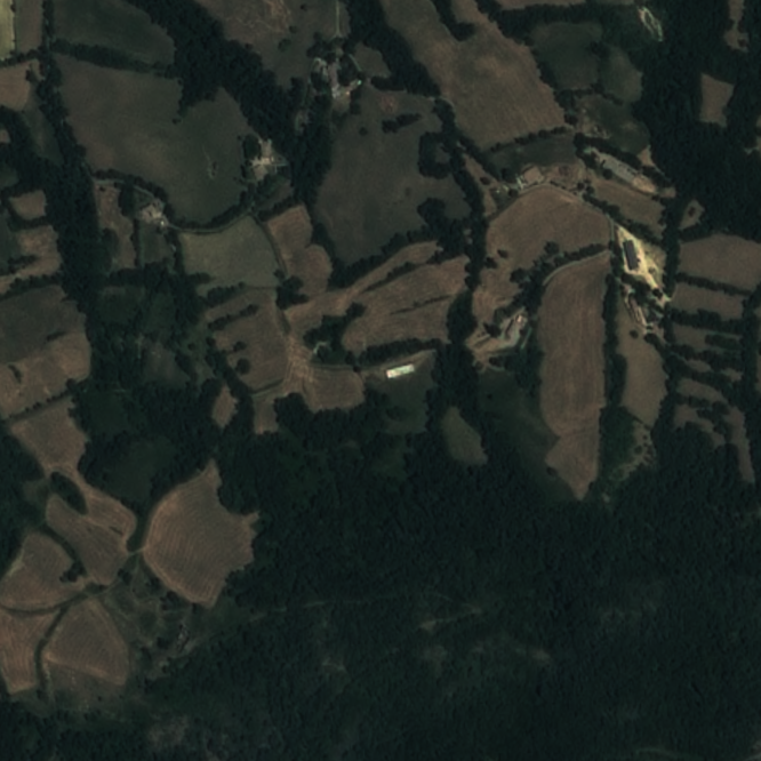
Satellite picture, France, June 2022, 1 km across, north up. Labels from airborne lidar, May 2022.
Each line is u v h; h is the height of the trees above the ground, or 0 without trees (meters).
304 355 0
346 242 0
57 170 13
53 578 0
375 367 0
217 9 0
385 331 0
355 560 10
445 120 15
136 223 8
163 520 0
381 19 14
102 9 0
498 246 0
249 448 8
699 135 15
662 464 10
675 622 13
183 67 13
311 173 16
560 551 15
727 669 6
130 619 0
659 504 11
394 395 0
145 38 0
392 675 12
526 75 0
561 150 0
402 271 9
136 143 0
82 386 10
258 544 13
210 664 6
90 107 0
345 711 13
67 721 8
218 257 0
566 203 0
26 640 0
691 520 12
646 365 0
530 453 0
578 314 0
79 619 0
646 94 10
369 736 11
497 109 0
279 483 13
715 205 20
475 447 0
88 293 14
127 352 12
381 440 14
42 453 0
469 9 0
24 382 0
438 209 19
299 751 10
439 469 19
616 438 6
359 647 13
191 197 0
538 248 0
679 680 19
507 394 0
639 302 13
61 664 0
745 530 17
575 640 12
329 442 16
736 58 11
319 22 0
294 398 14
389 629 14
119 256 0
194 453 9
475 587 11
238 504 11
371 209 0
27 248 0
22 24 0
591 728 15
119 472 0
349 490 14
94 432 5
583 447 0
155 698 0
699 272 0
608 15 9
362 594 12
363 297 0
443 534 19
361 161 0
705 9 10
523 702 12
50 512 0
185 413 16
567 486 0
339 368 0
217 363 8
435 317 0
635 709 9
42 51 15
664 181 10
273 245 0
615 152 8
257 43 0
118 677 0
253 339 0
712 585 13
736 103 17
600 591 17
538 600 12
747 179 9
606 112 0
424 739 19
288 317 0
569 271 0
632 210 0
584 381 0
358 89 6
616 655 15
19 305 0
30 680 0
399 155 0
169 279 9
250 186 6
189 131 0
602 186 0
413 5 0
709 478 16
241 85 21
